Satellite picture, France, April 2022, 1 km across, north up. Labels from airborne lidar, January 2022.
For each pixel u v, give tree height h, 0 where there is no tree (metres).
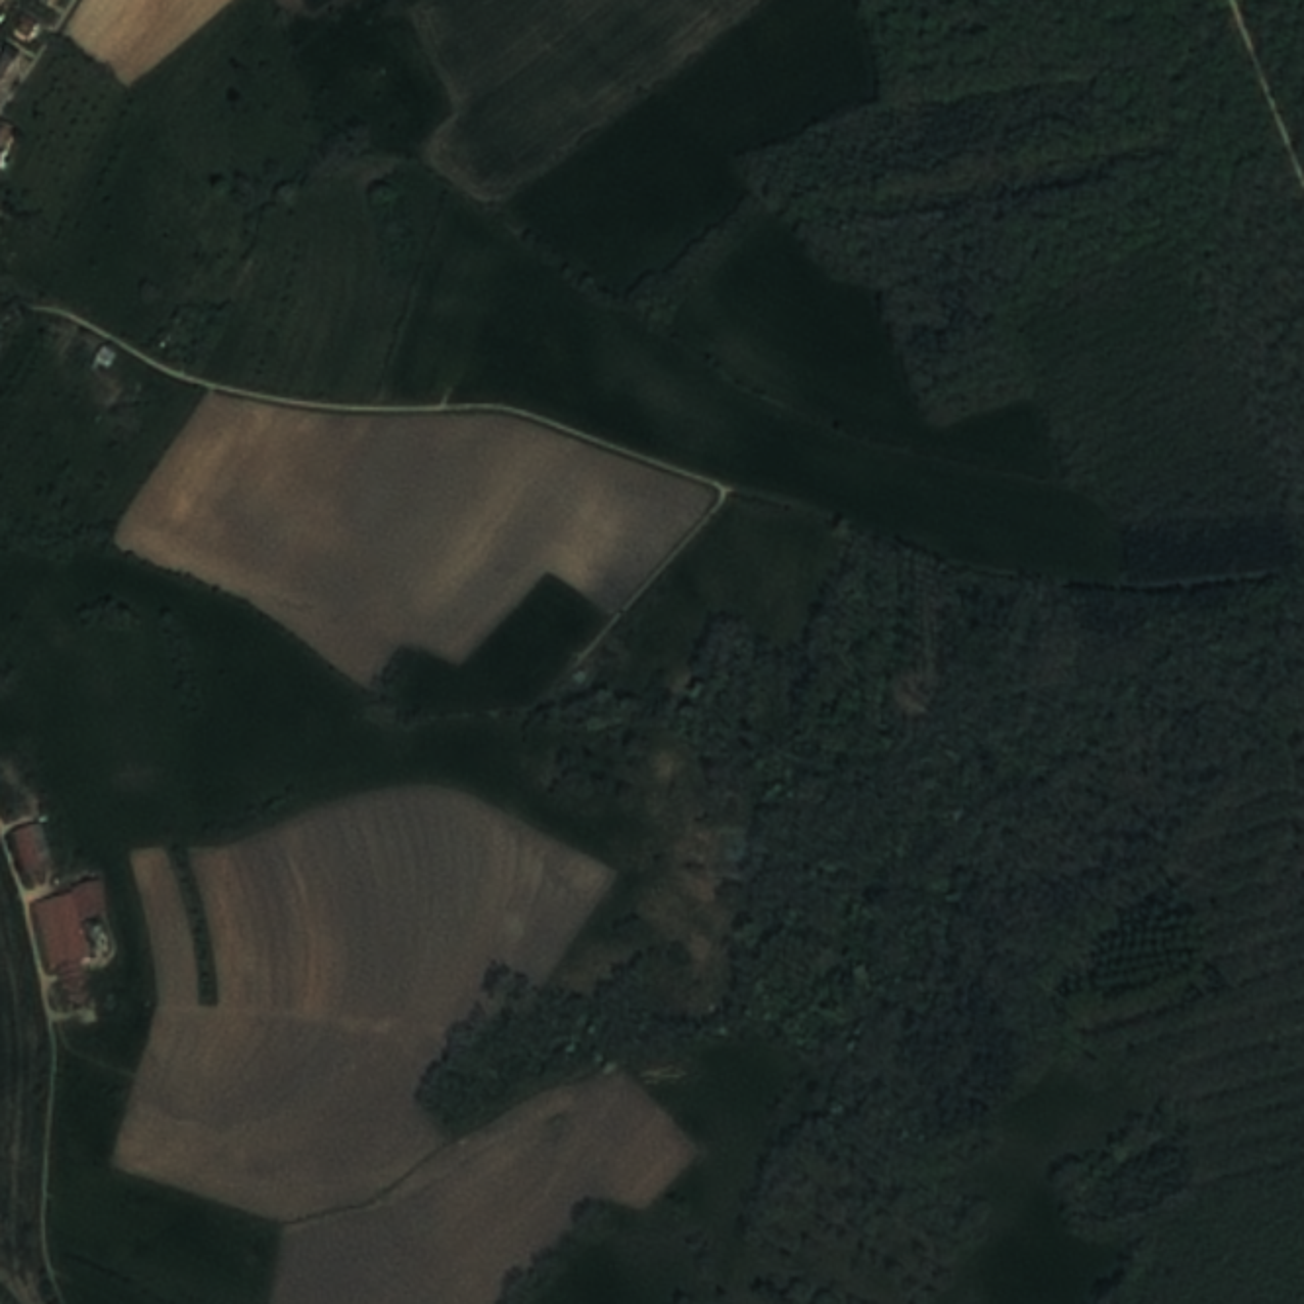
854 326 0
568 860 0
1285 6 23
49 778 0
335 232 0
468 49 0
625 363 0
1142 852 25
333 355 0
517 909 0
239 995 0
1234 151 17
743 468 0
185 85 0
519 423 0
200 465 0
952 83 20
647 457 0
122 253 0
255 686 0
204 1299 0
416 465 0
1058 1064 21
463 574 0
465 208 0
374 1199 0
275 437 0
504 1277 0
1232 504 13
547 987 0
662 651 0
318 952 0
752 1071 0
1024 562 0
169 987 0
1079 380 12
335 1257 0
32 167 0
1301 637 24
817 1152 21
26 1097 0
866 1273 11
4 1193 0
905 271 24
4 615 0
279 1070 0
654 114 0
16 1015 0
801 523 0
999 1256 0
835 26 0
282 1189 0
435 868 0
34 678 0
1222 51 20
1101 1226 20
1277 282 25
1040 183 7
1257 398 18
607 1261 0
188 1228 0
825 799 20
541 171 0
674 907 0
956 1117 21
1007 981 20
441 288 0
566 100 0
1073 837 10
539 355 0
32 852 0
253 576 0
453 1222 0
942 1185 23
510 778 0
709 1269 16
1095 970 19
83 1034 0
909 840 19
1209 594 12
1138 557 13
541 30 0
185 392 0
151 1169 0
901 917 22
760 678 23
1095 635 16
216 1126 0
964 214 22
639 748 19
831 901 20
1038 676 24
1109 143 21
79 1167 0
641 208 0
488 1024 20
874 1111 26
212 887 0
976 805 19
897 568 25
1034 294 23
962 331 27
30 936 0
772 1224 20
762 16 0
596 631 0
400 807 0
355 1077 0
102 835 0
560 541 0
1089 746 19
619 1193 0
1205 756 22
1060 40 24
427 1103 16
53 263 0
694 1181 0
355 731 0
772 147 8
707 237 7
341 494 0
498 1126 0
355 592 0
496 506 0
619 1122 0
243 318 0
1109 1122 0
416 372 0
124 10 0
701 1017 0
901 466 0
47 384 0
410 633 0
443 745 0
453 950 0
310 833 0
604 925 0
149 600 0
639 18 0
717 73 0
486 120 0
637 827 0
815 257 18
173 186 0
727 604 0
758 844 18
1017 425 0
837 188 12
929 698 16
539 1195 0
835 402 0
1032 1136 0
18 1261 0
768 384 0
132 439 0
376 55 0
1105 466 10
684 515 0
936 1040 22
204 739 0
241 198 11
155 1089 0
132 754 0
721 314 0
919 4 22
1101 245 20
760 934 20
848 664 27
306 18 0
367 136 21
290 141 0
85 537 10
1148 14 23
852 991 22
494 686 0
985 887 19
